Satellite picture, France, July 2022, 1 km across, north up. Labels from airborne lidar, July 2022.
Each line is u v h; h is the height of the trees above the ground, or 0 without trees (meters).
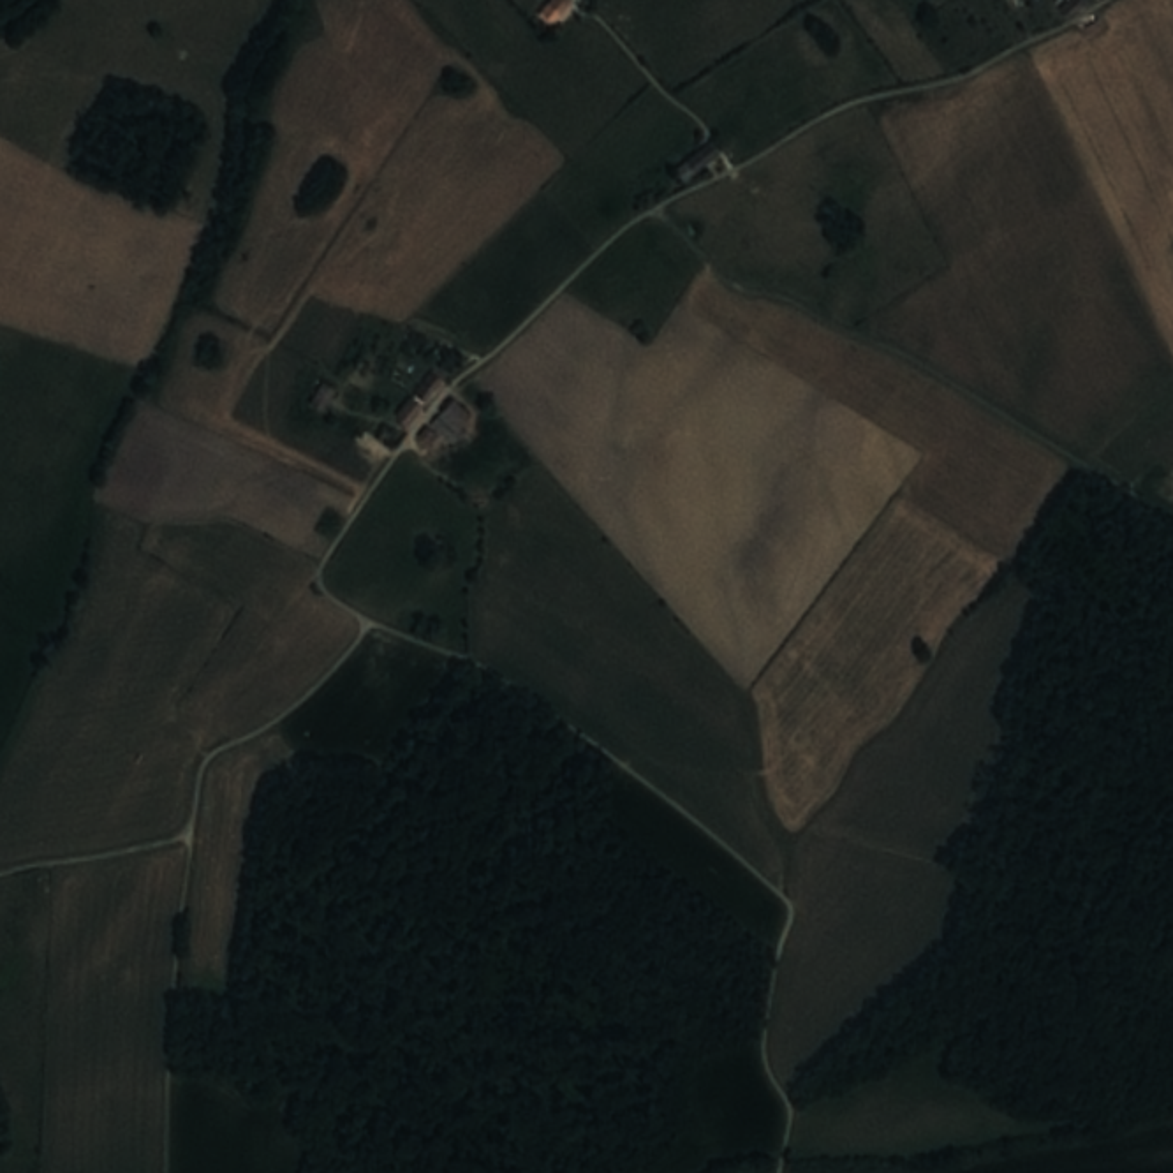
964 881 19
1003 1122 0
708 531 0
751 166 0
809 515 0
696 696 0
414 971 25
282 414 0
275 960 21
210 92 0
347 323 0
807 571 0
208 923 0
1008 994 21
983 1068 22
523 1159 27
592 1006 23
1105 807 25
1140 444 0
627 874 22
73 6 0
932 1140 0
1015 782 20
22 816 0
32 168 0
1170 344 0
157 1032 0
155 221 0
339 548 0
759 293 0
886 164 0
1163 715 24
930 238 0
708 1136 0
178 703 0
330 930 26
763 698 0
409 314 0
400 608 0
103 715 0
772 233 0
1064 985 28
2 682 0
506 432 0
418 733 11
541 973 6
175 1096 0
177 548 0
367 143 0
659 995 22
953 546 0
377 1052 26
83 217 0
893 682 0
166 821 0
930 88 0
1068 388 0
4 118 0
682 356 0
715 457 0
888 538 0
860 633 0
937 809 0
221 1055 12
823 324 0
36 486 0
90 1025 0
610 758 21
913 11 0
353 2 0
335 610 0
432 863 22
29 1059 0
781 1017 0
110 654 0
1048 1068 26
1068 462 0
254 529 0
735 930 14
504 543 0
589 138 0
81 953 0
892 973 0
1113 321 0
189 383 0
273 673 0
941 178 0
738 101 0
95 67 0
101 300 0
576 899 25
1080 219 0
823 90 0
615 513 0
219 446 0
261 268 0
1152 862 25
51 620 0
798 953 0
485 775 25
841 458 0
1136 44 0
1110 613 23
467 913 16
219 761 0
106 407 0
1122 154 0
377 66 0
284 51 17
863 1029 18
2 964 0
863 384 0
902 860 0
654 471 0
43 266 0
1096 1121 18
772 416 0
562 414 0
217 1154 0
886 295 0
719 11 0
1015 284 0
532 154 0
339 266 0
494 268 0
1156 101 0
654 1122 23
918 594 0
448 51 0
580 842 26
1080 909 23
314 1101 21
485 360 0
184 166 27
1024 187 0
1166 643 20
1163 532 24
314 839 28
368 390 0
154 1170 0
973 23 8
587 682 0
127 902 0
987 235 0
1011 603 0
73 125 0
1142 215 0
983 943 26
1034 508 0
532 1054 24
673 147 0
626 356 0
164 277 0
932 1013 25
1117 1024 23
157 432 0
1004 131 0
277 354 0
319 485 0
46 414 0
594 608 0
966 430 0
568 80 0
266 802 19
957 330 0
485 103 0
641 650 0
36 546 0
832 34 17
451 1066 23
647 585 0
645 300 0
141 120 28
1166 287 0
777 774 0
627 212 0
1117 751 28
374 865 22
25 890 0
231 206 17
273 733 0
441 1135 28
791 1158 11
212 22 0
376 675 0
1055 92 0
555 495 0
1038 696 23
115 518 0
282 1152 0
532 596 0
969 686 0
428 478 0
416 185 0
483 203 0
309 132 0
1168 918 22
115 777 0
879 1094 0
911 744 0
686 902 20
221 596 0
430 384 0
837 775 0
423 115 0
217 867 0
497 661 0
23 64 0
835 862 0
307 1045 27
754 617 0
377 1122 29
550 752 24
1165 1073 18
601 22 0
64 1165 0
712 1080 0
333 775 19
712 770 0
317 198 15
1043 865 28
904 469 0
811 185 0
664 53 0
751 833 0
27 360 0
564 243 0
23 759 0
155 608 0
